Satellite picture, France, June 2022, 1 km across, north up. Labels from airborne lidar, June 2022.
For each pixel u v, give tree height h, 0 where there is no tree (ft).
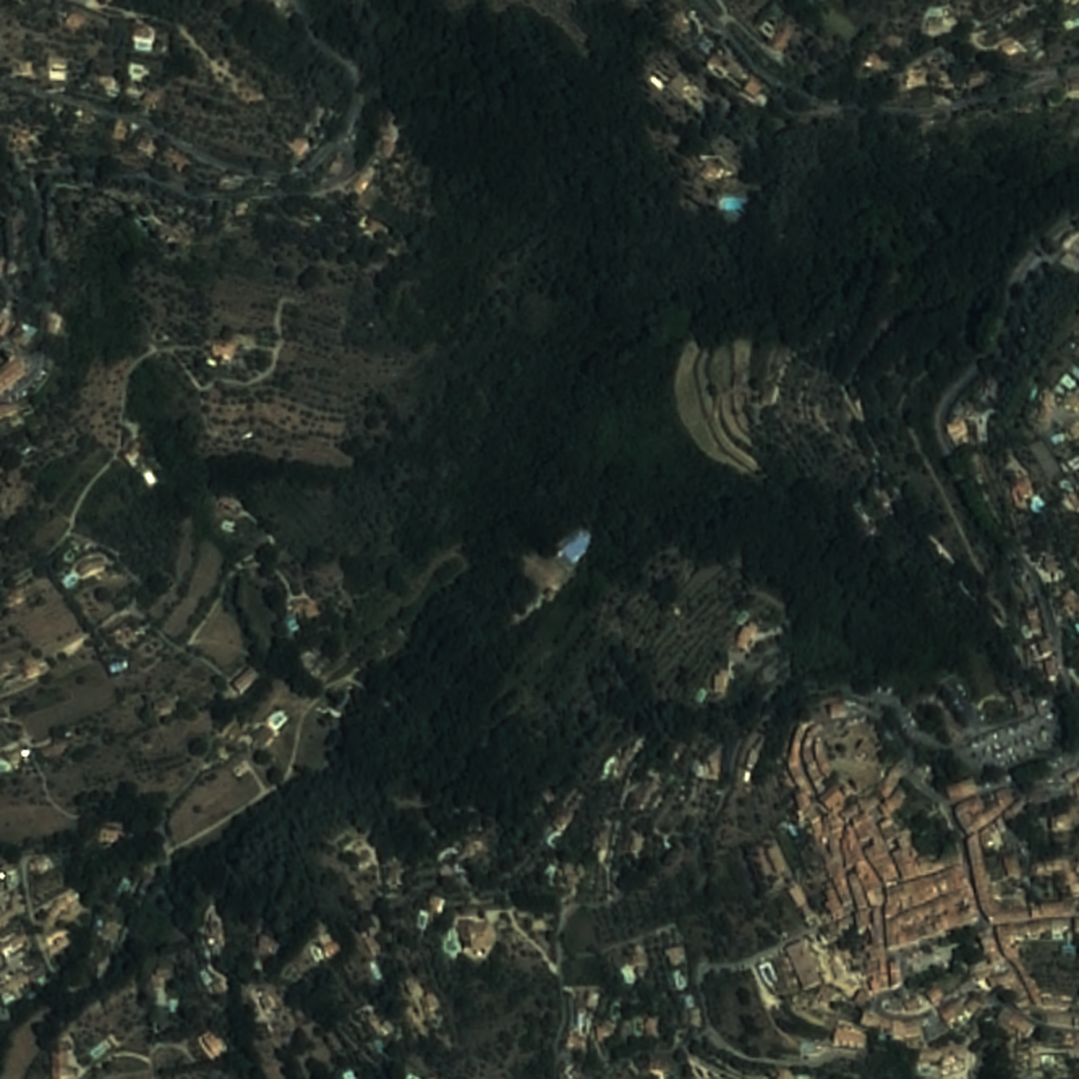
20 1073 0
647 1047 41
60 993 40
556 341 51
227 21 38
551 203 87
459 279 35
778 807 23
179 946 30
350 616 35
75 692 0
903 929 0
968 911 0
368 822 32
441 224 46
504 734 41
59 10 28
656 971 21
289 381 25
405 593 36
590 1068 25
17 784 24
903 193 76
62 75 0
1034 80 20
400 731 53
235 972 47
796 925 0
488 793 63
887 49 25
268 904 47
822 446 35
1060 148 18
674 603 27
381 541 38
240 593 52
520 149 47
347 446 37
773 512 82
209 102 34
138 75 0
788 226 44
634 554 53
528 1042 36
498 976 31
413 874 18
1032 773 52
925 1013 0
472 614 45
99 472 0
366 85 42
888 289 34
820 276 65
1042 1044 51
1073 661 43
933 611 38
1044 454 0
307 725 0
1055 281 60
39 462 46
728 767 27
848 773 0
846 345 45
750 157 54
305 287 46
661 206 48
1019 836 24
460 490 55
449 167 48
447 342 40
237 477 65
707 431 0
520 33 23
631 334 26
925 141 33
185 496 36
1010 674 28
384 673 39
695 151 60
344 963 26
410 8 21
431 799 64
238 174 21
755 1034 29
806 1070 31
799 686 49
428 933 23
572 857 37
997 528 43
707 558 46
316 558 38
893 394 43
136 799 47
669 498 45
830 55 38
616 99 50
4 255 23
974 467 22
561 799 46
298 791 49
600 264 47
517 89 76
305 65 24
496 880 39
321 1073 49
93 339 27
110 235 24
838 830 0
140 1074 0
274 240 20
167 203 31
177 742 0
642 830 20
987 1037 50
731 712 26
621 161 55
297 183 33
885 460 30
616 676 27
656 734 42
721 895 28
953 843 28
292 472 58
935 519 31
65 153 29
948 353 42
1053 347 49
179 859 25
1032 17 33
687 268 30
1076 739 51
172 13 40
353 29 76
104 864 23
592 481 30
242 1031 53
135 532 29
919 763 31
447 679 53
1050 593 22
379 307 27
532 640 30
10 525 26
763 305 73
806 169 51
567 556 0
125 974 47
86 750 18
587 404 47
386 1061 22
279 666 52
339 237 22
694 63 32
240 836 31
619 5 40
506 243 50
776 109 59
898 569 42
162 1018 36
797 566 76
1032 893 24
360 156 31
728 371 0
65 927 24
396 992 48
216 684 35
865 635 72
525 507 49
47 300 28
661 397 20
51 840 22
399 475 84
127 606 20
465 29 29
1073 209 51
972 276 42
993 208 76
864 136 47
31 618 0
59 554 28
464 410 56
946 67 23
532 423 32
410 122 62
